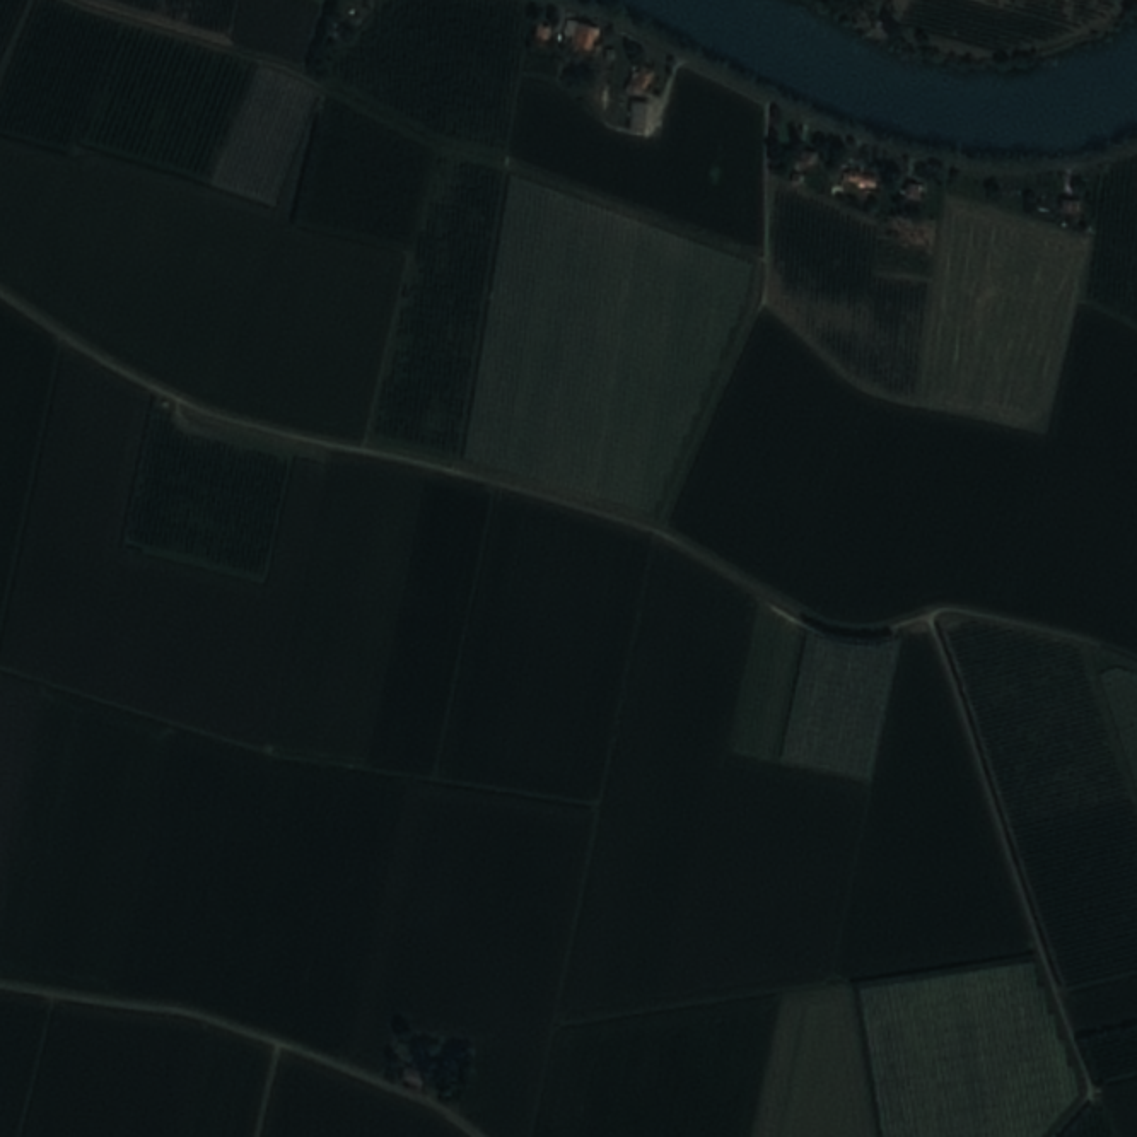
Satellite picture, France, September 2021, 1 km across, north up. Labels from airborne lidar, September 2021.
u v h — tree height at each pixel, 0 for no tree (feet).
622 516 0
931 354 0
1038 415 0
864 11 58
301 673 0
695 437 0
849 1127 0
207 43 0
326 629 0
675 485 0
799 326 0
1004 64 47
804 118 0
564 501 0
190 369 0
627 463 0
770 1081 0
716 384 0
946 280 0
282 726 0
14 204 0
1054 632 0
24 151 0
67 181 0
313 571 0
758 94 0
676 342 0
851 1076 0
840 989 0
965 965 19
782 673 0
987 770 35
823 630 37
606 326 0
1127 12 32
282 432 0
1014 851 38
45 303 0
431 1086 46
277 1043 0
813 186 0
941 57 26
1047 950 34
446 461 0
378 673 0
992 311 0
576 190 0
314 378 0
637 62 33
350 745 0
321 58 20
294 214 27
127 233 0
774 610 0
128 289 0
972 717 33
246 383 0
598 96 0
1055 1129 0
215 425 0
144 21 0
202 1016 0
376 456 0
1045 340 0
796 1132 0
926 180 47
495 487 0
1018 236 0
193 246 0
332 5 29
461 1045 30
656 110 0
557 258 0
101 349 0
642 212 0
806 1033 0
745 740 0
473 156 0
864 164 29
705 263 0
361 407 0
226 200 0
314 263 0
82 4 0
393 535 0
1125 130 25
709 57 35
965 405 0
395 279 0
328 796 0
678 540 0
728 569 0
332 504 0
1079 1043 30
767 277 0
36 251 0
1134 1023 20
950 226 0
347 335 0
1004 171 0
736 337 0
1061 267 0
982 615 0
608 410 0
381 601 0
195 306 0
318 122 26
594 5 24
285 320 0
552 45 25
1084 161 0
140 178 0
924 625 0
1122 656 0
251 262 0
